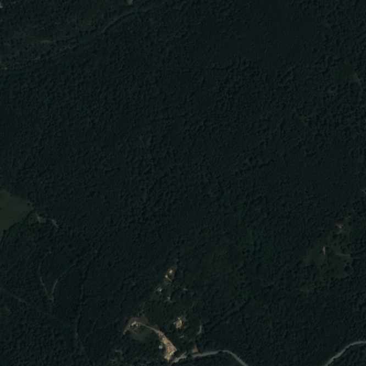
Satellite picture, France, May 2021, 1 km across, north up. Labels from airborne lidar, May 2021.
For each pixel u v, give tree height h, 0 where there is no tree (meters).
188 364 25
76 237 19
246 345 10
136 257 23
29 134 21
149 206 13
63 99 28
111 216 21
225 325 19
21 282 10
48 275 7
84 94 16
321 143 23
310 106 23
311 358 19
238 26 23
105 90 17
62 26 8
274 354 17
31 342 20
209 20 23
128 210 20
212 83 31
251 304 19
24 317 18
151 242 23
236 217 19
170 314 11
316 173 23
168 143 21
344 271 0
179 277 16
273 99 20
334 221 21
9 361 21
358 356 20
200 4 31
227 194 23
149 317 6
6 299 15
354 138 17
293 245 19
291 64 24
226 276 18
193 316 14
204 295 16
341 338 13
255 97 27
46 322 18
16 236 8
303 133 27
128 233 24
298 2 23
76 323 11
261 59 19
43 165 21
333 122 17
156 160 27
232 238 17
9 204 0
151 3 28
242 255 23
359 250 15
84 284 26
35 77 22
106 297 28
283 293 18
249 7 21
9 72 15
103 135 21
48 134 22
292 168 21
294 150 20
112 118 22
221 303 14
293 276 26
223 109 21
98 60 13
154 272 6
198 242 18
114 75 25
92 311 28
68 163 21
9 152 21
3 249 18
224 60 22
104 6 8
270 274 17
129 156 19
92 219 26
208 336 17
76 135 24
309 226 24
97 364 15
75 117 25
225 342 21
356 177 24
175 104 25
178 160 22
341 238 11
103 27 17
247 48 23
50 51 16
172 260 9
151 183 21
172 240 23
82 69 20
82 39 20
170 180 24
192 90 18
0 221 0
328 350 17
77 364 21
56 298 11
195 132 17
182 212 24
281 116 26
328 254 10
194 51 24
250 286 22
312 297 14
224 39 24
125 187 21
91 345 12
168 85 24
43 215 12
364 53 23
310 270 19
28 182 25
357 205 21
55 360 15
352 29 21
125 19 24
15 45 18
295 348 13
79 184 19
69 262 7
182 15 24
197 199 25
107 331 8
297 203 25
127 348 17
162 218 24
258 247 22
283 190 22
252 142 25
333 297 13
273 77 26
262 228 19
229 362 25
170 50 19
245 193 20
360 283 21
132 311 19
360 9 24
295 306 18
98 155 23
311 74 24
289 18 24
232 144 26
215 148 27
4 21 14
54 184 21
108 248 22
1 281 20
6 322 24
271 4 26
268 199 27
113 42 24
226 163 21
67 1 14
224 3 20
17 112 21
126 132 21
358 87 8
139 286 7
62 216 22
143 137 16
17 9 22
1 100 29
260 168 19
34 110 21
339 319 18
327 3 24
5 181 17
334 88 21
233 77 26
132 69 18
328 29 23
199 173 28
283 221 27
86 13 9
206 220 26
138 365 18
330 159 21
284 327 18
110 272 27
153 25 6
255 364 18
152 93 29
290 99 16
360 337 15
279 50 24
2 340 19
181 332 10
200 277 15
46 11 27
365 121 6
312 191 23
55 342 18
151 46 26
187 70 24
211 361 21
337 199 22
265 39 22
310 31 24
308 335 14
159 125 27
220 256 16
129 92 20
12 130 22
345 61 18
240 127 25
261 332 20
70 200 24
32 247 18
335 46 24
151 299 10
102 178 21
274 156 23
